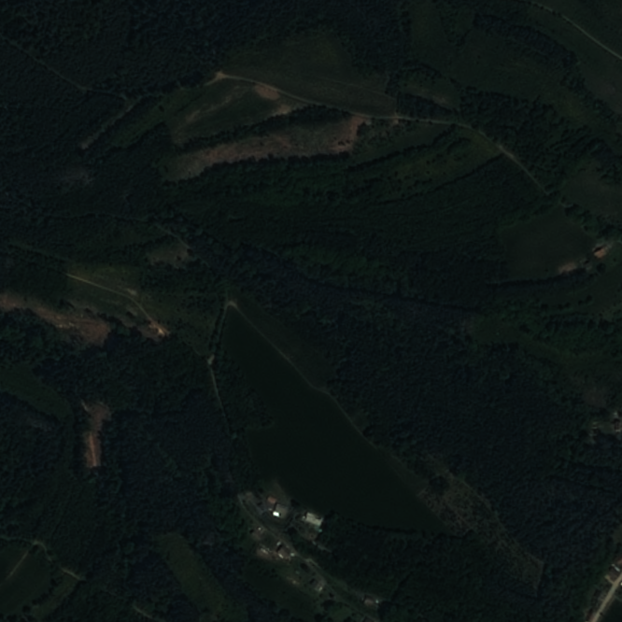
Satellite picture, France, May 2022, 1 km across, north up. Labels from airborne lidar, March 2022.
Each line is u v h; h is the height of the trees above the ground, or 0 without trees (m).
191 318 0
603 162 20
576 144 13
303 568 12
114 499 23
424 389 23
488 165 9
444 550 16
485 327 0
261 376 0
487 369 15
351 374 19
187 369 10
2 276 32
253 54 0
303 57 0
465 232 9
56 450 23
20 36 23
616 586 0
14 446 20
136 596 26
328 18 10
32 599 0
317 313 19
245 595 31
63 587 0
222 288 18
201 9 21
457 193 8
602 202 0
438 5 11
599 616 0
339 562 22
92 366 29
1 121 20
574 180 0
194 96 0
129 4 11
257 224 9
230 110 0
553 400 18
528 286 20
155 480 30
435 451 25
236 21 34
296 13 23
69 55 13
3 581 0
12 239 16
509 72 0
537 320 14
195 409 30
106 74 14
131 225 14
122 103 18
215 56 30
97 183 15
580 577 29
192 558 0
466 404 28
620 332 19
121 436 32
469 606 12
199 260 19
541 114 12
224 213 10
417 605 11
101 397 22
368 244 14
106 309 0
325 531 19
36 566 0
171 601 19
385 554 10
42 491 17
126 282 0
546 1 0
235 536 24
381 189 11
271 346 0
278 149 0
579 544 23
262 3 29
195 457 27
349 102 0
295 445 0
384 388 25
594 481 20
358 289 28
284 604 0
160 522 30
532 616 12
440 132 0
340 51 0
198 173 0
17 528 13
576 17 0
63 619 13
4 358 25
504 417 24
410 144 0
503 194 9
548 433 21
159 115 0
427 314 32
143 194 17
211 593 0
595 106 15
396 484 0
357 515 0
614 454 21
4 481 16
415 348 23
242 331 0
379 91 0
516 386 23
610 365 0
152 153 16
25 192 19
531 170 10
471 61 0
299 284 37
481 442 23
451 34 6
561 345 23
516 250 0
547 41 15
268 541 0
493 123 12
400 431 23
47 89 13
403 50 9
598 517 29
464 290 21
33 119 20
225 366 9
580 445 14
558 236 0
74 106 13
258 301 26
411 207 9
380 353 25
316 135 19
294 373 0
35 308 0
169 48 10
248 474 18
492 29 15
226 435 26
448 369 24
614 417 0
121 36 12
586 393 0
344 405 11
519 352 23
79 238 15
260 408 8
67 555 7
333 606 17
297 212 9
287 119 9
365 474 0
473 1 16
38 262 10
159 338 0
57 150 18
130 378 29
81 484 12
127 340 24
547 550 21
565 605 27
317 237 19
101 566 25
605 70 0
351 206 9
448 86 0
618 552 11
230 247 6
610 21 0
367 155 0
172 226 21
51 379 26
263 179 20
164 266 7
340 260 24
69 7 28
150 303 0
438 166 0
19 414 30
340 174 16
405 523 0
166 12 35
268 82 0
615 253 0
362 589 8
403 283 19
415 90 0
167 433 26
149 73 14
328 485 0
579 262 0
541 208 14
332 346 16
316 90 0
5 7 18
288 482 0
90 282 0
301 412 0
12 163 25
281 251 19
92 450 23
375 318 22
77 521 6
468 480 18
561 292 16
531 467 27
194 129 0
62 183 26
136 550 31
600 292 0
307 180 27
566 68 13
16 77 10
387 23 22
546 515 27
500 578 6
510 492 25
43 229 15
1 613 0
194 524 36
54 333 22
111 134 15
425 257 16
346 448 0
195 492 25
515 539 11
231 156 0
